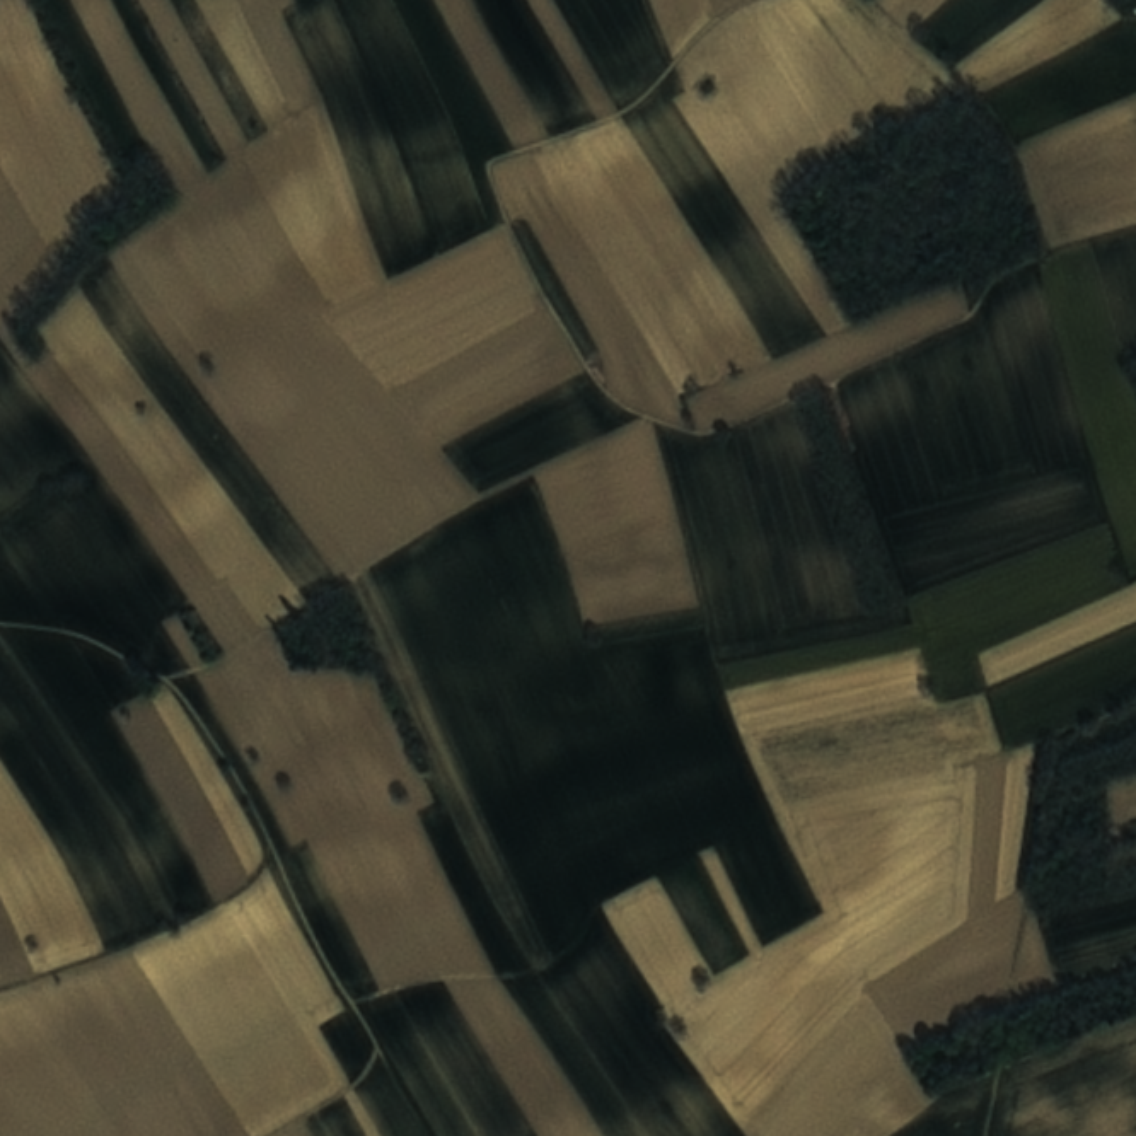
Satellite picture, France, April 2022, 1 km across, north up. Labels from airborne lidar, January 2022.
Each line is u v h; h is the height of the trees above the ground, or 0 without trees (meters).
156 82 0
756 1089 0
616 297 0
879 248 26
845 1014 0
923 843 0
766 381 0
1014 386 0
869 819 0
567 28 0
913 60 0
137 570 0
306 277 0
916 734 0
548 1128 0
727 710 0
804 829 0
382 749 0
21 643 0
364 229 0
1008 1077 0
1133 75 0
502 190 0
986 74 0
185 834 0
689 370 0
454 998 0
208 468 0
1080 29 0
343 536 0
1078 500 0
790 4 0
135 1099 0
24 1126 0
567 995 0
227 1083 0
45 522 0
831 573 0
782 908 0
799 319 0
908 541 0
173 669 0
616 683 0
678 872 0
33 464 0
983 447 0
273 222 0
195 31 0
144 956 0
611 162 0
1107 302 0
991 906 0
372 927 0
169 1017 0
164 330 0
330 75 0
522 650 0
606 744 0
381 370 0
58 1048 0
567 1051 0
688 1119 0
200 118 0
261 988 0
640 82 0
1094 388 0
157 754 0
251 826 0
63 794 0
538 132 0
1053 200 0
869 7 0
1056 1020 21
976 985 0
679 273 0
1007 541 0
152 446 0
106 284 0
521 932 0
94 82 0
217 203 0
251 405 0
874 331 0
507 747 0
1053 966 0
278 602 0
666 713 0
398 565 0
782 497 0
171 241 0
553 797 0
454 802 0
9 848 0
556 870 0
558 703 0
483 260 0
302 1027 0
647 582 0
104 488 0
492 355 0
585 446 0
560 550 0
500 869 0
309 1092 0
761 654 0
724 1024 0
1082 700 0
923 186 15
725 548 0
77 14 0
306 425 0
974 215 23
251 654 0
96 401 0
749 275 0
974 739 0
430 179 0
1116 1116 0
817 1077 0
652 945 0
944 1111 0
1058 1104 0
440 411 0
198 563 0
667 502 0
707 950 0
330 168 0
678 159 0
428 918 0
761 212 0
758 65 0
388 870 0
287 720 0
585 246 0
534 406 0
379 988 0
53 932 0
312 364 0
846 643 0
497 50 0
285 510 0
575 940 0
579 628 0
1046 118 0
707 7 0
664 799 0
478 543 0
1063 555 0
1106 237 0
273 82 0
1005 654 0
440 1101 0
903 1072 0
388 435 0
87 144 0
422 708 0
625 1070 0
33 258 0
